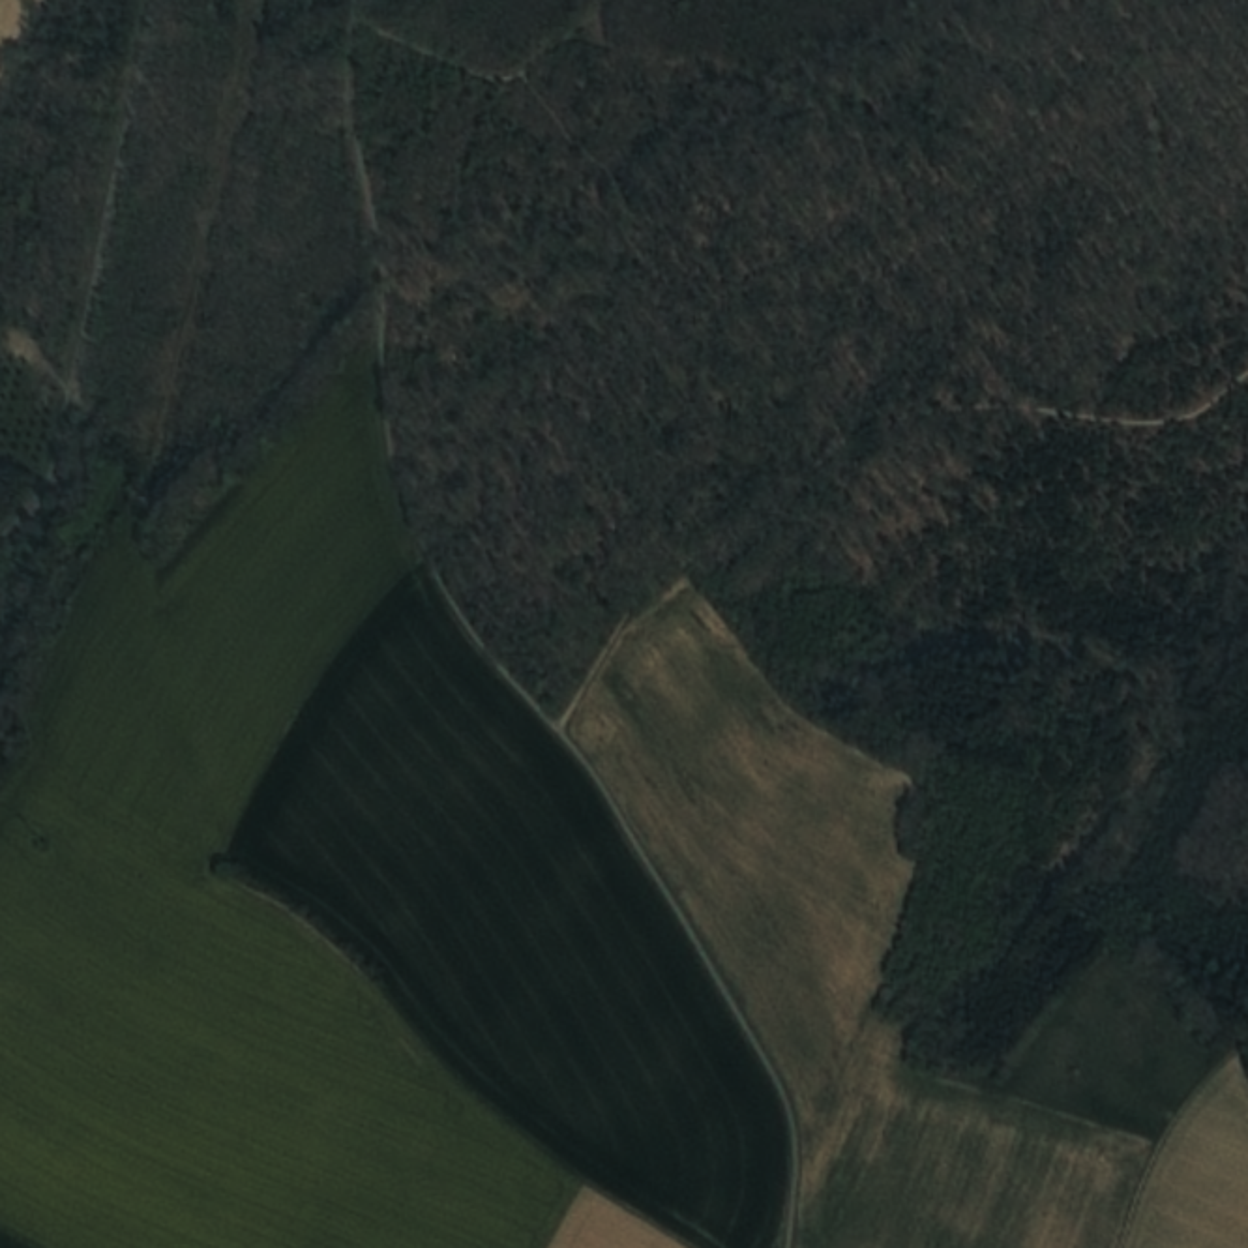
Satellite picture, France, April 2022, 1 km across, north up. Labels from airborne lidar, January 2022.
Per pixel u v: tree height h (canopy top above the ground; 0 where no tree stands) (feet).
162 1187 0
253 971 0
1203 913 29
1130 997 0
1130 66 99
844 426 96
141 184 70
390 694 0
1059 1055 0
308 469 0
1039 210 95
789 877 0
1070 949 50
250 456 103
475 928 0
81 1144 0
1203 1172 0
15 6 0
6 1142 0
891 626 57
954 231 95
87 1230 0
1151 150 94
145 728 0
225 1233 0
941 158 103
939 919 45
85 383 53
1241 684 91
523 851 0
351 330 98
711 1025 0
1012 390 100
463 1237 0
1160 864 33
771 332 91
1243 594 93
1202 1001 76
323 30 27
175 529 96
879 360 112
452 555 78
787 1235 0
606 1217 0
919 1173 0
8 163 96
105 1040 0
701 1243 0
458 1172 0
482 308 100
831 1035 0
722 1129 0
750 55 37
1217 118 95
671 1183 0
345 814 0
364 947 0
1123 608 35
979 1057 53
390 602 0
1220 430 31
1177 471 29
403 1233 0
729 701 0
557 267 36
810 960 0
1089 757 27
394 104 34
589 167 26
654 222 87
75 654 0
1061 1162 0
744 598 74
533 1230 0
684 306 89
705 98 32
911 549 29
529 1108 0
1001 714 85
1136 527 38
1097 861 96
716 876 0
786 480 97
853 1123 0
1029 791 64
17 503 85
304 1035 0
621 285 97
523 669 75
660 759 0
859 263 92
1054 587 27
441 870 0
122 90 52
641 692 0
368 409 0
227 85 67
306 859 0
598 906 0
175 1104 0
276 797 0
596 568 65
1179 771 41
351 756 0
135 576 0
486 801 0
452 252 101
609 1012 0
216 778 0
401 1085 0
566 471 103
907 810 51
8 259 84
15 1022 0
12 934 0
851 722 103
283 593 0
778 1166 0
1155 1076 0
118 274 56
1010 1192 0
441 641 0
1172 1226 0
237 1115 0
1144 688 82
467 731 0
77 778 0
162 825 0
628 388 104
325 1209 0
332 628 0
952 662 94
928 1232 0
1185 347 45
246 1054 0
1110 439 34
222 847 0
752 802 0
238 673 0
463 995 0
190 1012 0
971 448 89
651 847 0
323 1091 0
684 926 0
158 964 0
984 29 105
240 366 64
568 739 0
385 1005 0
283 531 0
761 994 0
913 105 89
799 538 103
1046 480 35
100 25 82
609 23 36
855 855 0
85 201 99
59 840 0
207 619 0
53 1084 0
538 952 0
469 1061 0
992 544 40
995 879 71
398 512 0
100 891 0
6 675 43
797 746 0
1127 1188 0
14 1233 0
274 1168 0
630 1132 0
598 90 28
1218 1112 0
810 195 93
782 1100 0
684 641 0
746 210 106
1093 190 103
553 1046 0
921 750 89
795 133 96
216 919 0
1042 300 95
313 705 0
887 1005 40
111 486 68
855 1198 0
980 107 102
